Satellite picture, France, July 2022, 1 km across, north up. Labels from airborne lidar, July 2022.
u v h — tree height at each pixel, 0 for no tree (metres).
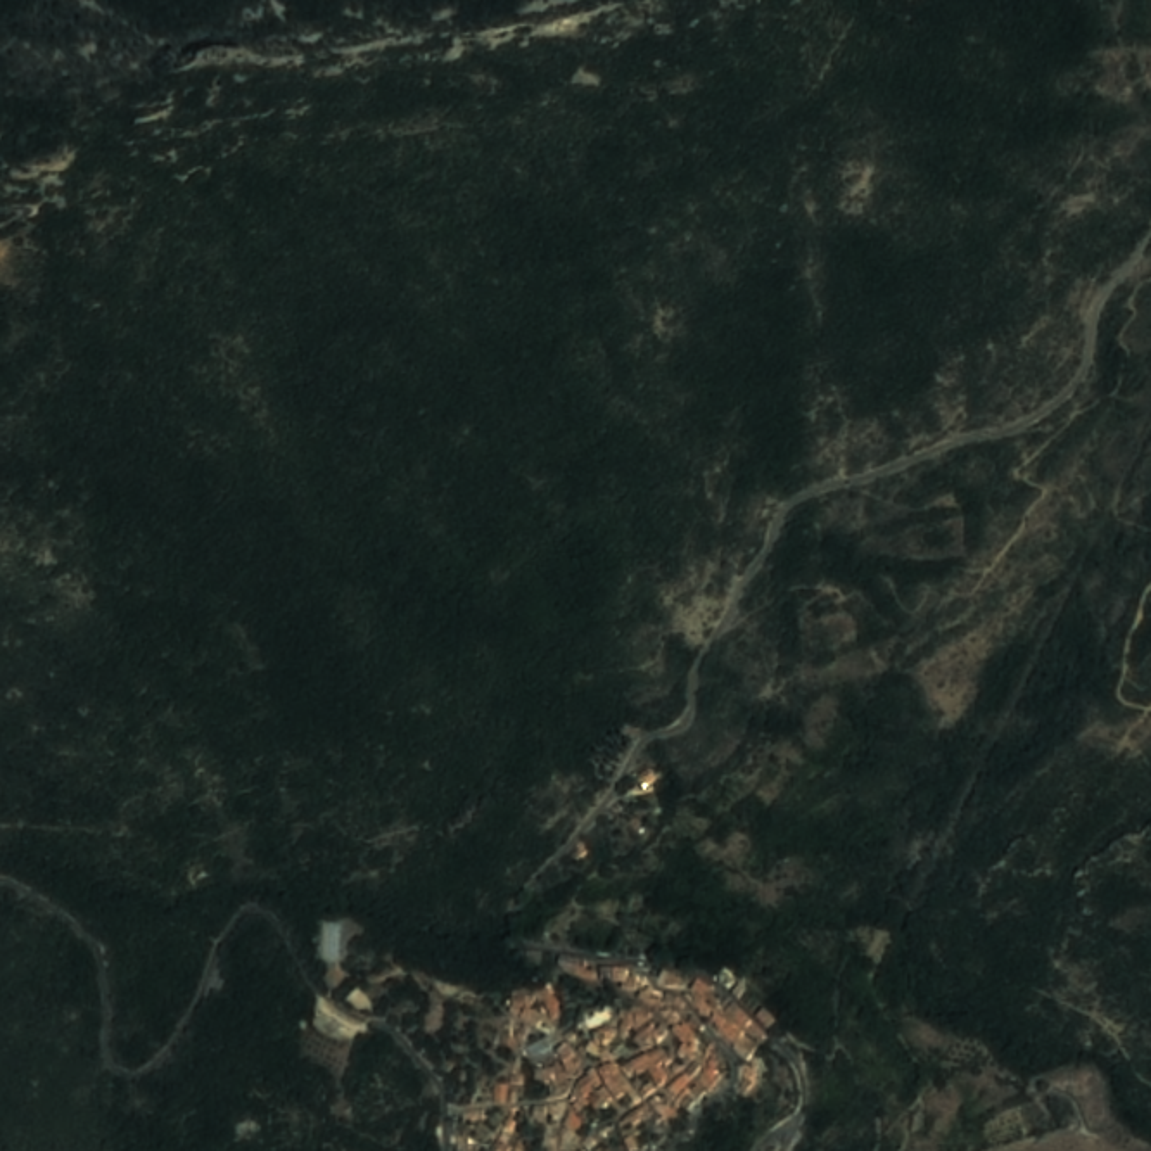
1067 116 7
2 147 6
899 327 7
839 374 6
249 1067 7
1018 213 6
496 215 9
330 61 8
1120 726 0
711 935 11
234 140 7
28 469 8
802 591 8
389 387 10
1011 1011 8
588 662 7
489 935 13
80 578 6
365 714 7
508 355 8
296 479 6
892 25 9
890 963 7
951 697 0
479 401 7
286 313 12
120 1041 7
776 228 7
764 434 10
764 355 9
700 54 8
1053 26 9
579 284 8
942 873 7
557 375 9
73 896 7
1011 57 6
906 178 7
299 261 7
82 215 6
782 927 7
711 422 6
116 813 6
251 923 7
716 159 8
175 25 8
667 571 6
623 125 8
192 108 7
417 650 8
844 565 7
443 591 11
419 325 6
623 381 6
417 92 9
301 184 6
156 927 6
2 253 0
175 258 6
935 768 7
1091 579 0
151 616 12
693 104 9
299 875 7
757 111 9
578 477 8
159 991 6
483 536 8
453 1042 6
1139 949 6
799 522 6
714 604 0
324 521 9
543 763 6
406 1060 6
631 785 13
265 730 7
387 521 7
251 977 8
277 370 9
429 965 13
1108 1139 0
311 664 8
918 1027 0
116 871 7
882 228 6
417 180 7
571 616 6
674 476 9
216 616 7
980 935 7
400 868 8
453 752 8
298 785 8
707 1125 7
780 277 11
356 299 11
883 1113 8
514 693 9
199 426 7
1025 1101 6
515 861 8
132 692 6
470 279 8
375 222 8
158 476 8
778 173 7
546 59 7
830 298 6
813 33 7
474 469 9
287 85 8
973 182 8
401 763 8
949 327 6
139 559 7
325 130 7
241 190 8
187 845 7
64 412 8
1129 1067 9
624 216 8
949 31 9
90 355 7
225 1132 6
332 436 7
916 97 10
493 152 6
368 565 8
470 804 14
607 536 7
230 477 6
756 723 11
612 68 8
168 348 9
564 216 8
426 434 8
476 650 6
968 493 7
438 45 5
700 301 6
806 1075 0
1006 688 9
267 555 9
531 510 7
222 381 7
